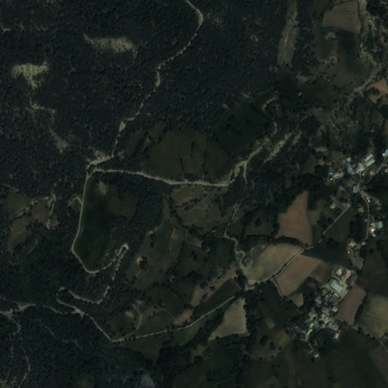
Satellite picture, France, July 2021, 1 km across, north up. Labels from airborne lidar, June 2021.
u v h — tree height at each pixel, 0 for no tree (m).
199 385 0
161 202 13
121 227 10
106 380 6
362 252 10
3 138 17
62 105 17
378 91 7
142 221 9
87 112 17
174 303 0
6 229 9
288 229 0
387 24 6
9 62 11
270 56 8
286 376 0
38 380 16
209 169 0
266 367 0
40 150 13
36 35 16
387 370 0
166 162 0
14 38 20
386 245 0
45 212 0
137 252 7
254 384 0
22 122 14
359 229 13
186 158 0
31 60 11
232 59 15
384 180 7
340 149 10
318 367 0
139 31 6
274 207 11
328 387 0
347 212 0
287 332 11
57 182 13
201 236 9
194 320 11
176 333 0
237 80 12
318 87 0
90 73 18
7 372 8
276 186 13
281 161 7
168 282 10
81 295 11
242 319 0
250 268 0
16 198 0
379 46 9
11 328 9
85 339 13
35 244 9
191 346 15
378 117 0
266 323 0
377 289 0
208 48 16
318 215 0
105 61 12
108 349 19
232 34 19
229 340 11
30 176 12
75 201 0
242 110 0
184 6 13
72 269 7
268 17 9
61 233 8
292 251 0
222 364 0
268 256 0
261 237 7
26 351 16
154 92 12
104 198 0
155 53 20
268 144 0
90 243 0
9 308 8
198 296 0
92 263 0
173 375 13
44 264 21
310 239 0
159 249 0
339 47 0
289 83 0
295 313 0
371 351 0
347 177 14
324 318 0
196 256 11
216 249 8
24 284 19
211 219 0
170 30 11
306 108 16
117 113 12
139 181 11
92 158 7
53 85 11
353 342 0
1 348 25
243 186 10
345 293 0
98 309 16
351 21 0
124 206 0
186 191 0
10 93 20
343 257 0
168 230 0
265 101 0
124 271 10
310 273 0
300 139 8
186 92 10
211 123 10
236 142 0
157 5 17
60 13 15
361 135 8
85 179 11
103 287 12
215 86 13
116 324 0
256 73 11
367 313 0
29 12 13
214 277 0
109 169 8
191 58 16
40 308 24
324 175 11
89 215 0
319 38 0
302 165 12
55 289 11
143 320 0
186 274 0
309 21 6
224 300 0
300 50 8
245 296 18
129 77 11
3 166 13
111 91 14
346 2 0
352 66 0
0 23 9
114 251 6
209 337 8
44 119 7
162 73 12
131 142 0
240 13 13
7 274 8
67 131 11
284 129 11
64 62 17
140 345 0
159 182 10
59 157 10
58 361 12
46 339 12
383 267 0
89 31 12
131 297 8
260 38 7
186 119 13
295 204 0
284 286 0
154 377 7
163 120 19
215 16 8
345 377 0
